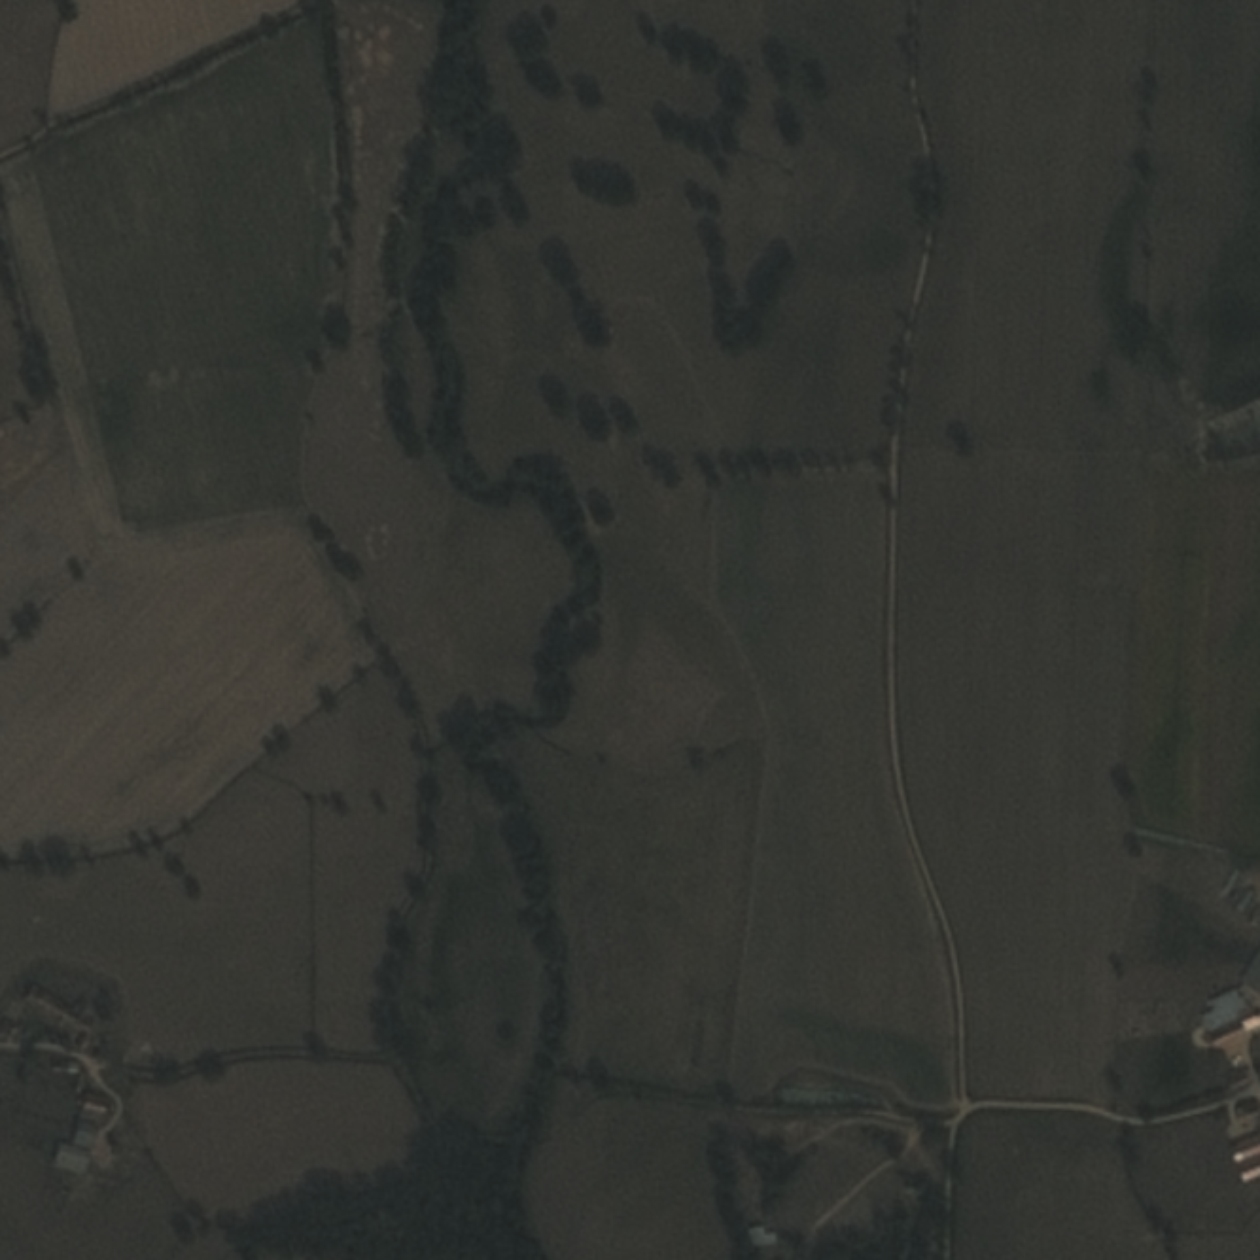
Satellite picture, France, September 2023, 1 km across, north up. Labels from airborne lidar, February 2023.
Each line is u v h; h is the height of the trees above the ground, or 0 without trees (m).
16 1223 0
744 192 0
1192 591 0
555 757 0
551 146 0
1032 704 0
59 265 0
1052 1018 0
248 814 0
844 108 0
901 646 0
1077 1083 0
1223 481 0
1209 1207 0
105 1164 0
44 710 0
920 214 14
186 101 0
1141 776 0
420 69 0
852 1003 0
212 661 0
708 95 0
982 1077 0
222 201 0
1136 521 0
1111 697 0
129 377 0
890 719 0
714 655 0
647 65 0
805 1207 0
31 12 0
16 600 0
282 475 0
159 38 0
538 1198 0
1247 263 0
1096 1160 0
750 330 20
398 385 18
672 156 0
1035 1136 0
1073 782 0
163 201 0
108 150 0
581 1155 0
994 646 0
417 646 0
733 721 0
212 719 0
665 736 0
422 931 0
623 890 0
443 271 14
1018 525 0
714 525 0
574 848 0
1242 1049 0
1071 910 0
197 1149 0
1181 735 0
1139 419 0
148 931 0
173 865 12
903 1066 0
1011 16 0
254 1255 9
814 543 0
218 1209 0
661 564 0
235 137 0
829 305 0
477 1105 0
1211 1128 0
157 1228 0
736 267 0
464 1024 0
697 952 0
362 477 0
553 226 0
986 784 0
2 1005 0
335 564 11
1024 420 0
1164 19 0
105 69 0
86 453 0
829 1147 0
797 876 0
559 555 0
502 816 0
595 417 24
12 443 0
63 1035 11
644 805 0
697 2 0
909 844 0
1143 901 0
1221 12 0
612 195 17
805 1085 0
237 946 0
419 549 0
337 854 0
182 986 0
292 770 0
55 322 0
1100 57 0
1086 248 0
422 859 0
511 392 0
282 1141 0
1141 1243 0
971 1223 0
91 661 0
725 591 0
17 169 0
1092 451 0
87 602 0
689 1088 0
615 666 0
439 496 0
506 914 0
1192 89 0
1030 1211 0
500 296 0
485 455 0
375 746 0
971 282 0
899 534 0
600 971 0
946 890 0
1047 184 0
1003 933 0
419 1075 0
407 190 18
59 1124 0
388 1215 16
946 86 0
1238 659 0
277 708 0
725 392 0
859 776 0
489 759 0
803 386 0
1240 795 0
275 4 0
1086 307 0
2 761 0
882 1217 15
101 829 0
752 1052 0
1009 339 0
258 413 0
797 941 0
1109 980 0
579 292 8
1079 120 0
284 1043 0
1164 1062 0
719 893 0
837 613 0
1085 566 0
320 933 0
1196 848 0
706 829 0
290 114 0
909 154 0
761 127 0
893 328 0
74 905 0
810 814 0
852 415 0
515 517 0
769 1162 16
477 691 0
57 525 0
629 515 0
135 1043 0
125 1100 0
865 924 0
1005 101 0
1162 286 0
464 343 0
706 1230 0
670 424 0
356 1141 0
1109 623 0
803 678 0
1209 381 0
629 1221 0
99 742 0
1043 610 0
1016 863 0
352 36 0
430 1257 18
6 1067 0
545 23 10
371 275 0
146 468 0
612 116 0
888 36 0
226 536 0
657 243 0
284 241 0
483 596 0
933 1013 0
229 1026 0
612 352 0
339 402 0
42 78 0
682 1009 0
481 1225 6
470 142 8
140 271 0
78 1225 0
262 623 0
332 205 0
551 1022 16
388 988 16
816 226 0
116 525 0
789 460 13
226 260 0
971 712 0
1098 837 0
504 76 0
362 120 0
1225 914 0
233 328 0
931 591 0
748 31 0
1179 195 0
